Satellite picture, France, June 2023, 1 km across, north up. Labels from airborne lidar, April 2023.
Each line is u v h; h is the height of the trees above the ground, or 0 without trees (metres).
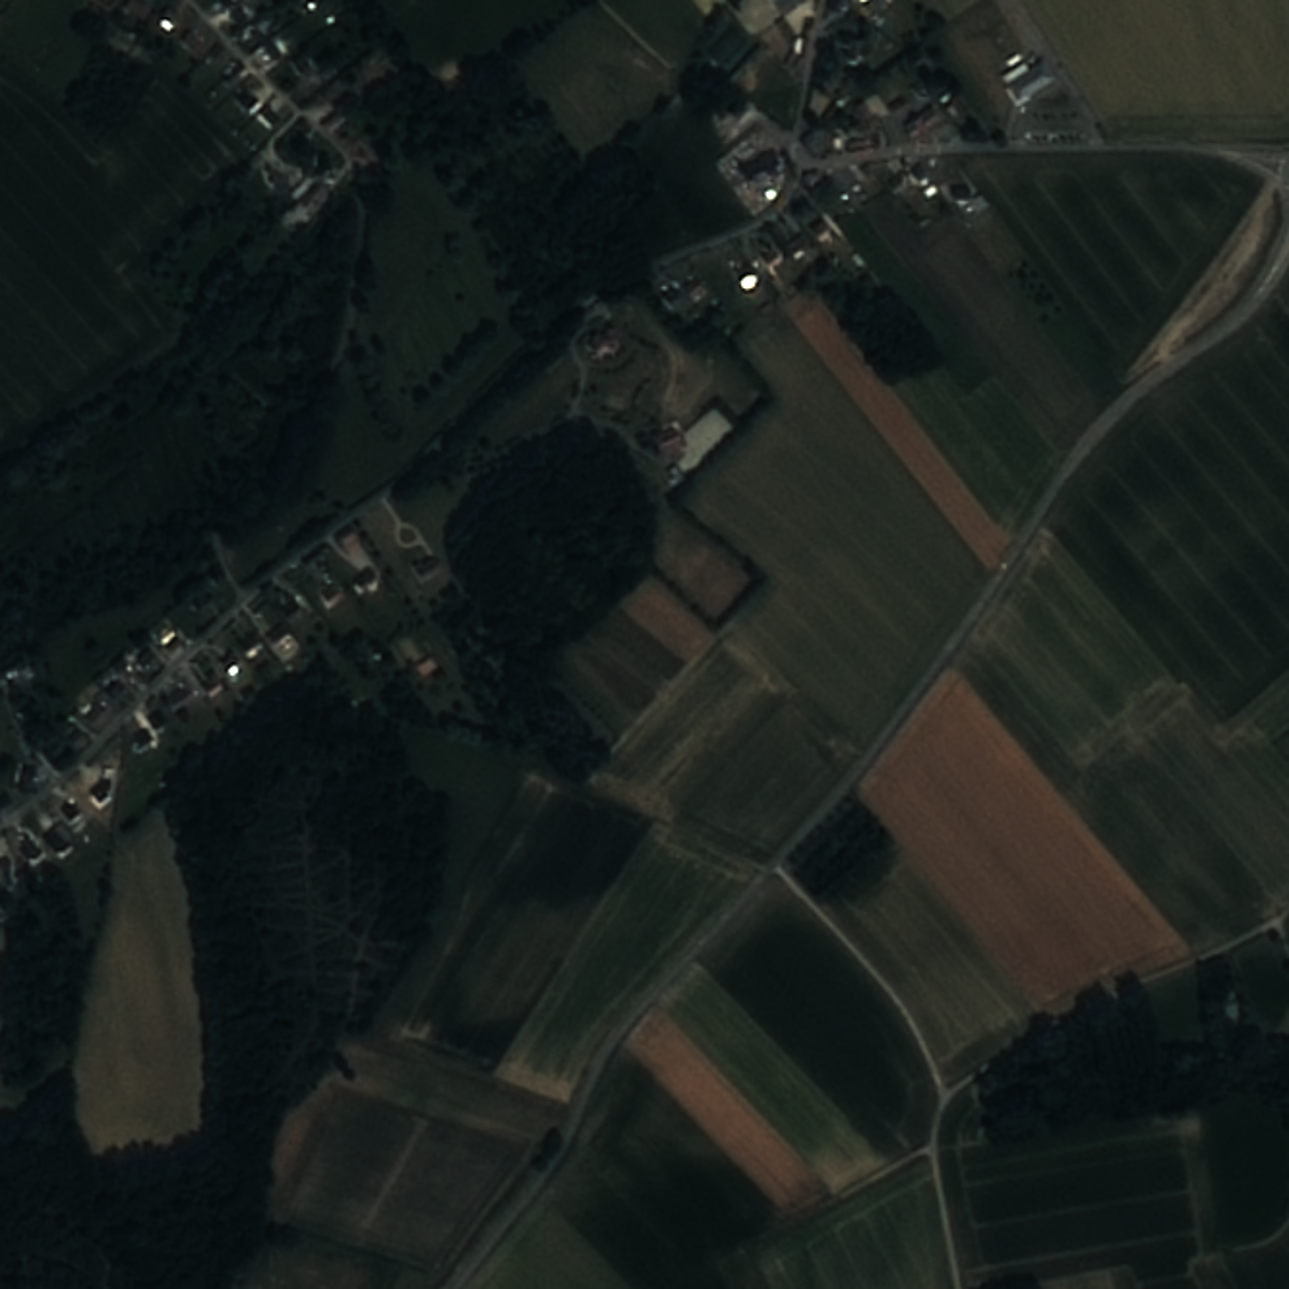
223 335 31
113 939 0
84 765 0
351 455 0
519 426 0
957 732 0
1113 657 0
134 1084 0
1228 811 0
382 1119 0
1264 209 0
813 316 0
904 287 0
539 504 21
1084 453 0
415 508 0
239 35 6
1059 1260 0
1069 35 0
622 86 0
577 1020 0
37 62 0
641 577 10
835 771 0
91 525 0
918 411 0
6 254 0
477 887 0
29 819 0
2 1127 21
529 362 13
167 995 0
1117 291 0
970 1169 0
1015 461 0
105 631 0
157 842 0
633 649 0
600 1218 0
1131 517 0
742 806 0
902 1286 0
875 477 0
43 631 9
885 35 0
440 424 0
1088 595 0
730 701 0
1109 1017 28
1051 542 0
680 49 0
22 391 0
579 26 0
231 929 18
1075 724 0
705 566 0
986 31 0
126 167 0
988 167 0
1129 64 0
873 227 0
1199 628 0
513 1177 0
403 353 0
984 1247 0
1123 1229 0
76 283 0
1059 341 0
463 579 14
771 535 0
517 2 0
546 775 0
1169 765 0
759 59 0
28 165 0
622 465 18
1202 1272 0
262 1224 8
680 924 0
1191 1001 0
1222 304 0
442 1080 0
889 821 0
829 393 0
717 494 0
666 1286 0
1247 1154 0
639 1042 0
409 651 0
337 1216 0
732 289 0
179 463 0
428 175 0
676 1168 0
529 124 24
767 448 0
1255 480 0
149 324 0
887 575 0
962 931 0
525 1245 0
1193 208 0
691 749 0
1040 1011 0
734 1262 0
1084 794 0
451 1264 0
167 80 0
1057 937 0
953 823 0
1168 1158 0
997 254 0
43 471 15
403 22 0
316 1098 0
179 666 0
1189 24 0
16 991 24
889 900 0
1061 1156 0
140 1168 29
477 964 0
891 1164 0
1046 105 0
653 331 0
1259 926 0
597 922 0
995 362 0
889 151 0
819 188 16
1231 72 0
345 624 0
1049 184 0
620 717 0
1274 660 0
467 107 7
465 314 0
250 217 19
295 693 16
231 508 29
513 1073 0
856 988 0
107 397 7
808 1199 0
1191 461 0
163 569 20
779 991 0
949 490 0
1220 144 0
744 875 0
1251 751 0
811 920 0
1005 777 0
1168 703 0
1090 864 0
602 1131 0
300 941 0
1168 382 0
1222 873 0
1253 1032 22
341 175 0
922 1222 0
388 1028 0
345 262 21
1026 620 0
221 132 0
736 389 0
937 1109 0
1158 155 0
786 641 0
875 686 0
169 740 0
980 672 0
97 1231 12
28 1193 15
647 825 0
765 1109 0
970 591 0
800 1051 0
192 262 0
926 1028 0
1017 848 0
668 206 0
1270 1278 0
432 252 0
